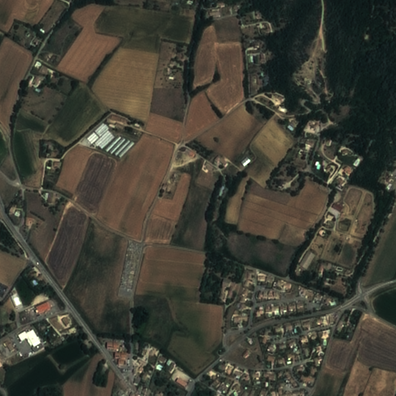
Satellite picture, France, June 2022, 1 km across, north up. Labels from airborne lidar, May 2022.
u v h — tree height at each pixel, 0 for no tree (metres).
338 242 0
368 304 0
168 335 0
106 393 0
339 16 13
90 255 0
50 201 0
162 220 0
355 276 9
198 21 15
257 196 0
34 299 0
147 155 0
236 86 0
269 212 0
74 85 10
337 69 9
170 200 0
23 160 0
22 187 0
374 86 6
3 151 0
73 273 0
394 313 0
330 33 8
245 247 0
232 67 0
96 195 0
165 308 0
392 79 14
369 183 7
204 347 0
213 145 0
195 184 0
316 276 19
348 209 0
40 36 7
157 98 0
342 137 13
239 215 0
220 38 0
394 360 0
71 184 0
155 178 0
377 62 13
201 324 0
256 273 0
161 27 0
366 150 10
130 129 11
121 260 0
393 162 10
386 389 0
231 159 0
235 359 0
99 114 0
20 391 0
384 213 10
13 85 0
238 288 0
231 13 0
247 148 0
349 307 0
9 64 0
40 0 0
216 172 0
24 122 0
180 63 9
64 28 0
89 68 0
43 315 0
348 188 0
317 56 0
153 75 0
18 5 0
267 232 0
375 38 13
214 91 0
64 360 0
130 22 0
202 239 0
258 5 12
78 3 8
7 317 0
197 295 0
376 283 0
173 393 8
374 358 0
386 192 12
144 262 0
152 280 0
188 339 0
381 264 0
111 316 0
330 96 10
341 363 0
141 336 6
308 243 9
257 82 0
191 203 0
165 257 0
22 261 0
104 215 0
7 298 0
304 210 0
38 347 0
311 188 0
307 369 10
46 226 0
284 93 10
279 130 0
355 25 13
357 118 7
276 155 0
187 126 0
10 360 0
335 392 0
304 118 10
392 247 0
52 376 0
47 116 0
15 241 7
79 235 0
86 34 0
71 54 0
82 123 0
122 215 0
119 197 0
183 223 0
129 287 0
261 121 0
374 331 0
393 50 15
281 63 12
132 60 0
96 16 0
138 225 0
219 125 0
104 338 16
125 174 0
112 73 0
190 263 0
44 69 0
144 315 6
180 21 0
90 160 0
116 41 0
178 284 0
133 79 0
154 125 0
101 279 0
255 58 11
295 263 10
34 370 0
